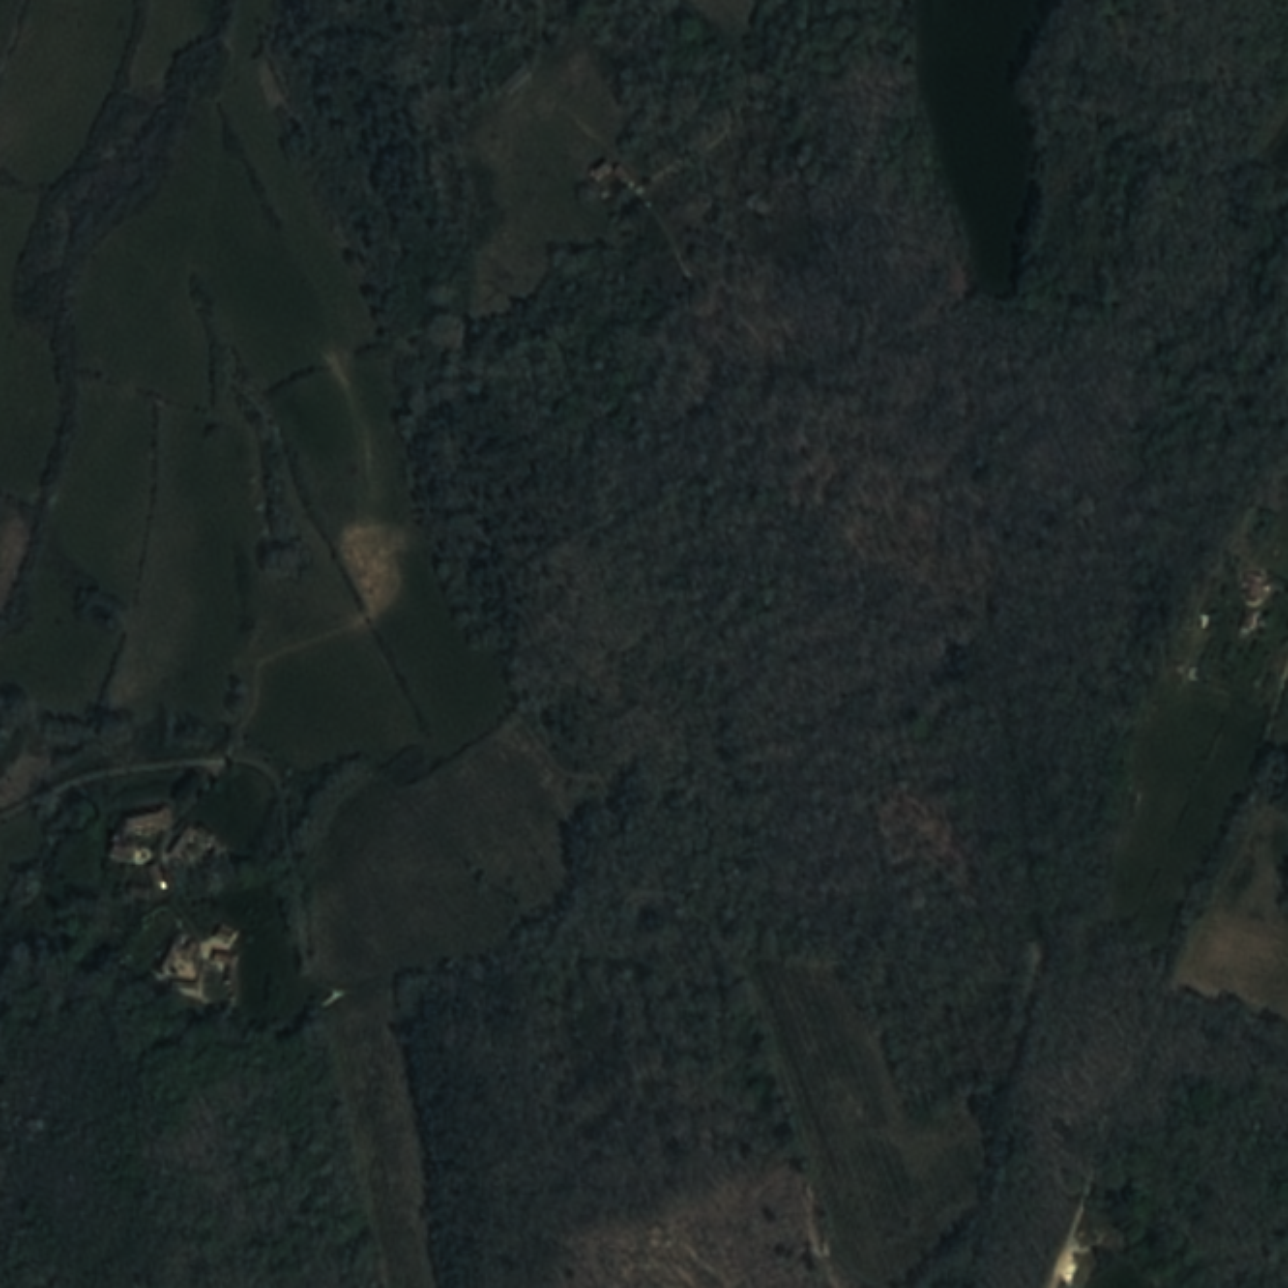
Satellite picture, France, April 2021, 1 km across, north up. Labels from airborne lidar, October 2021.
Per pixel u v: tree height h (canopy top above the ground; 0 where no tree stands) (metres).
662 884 16
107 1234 11
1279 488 24
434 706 0
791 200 9
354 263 13
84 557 0
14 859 0
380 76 8
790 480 16
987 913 21
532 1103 20
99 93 0
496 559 15
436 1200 14
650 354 20
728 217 14
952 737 18
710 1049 23
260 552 0
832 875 16
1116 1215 17
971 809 22
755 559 16
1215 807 0
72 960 17
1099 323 20
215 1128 19
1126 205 7
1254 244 27
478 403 12
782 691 18
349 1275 21
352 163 9
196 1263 19
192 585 0
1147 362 23
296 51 13
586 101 0
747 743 20
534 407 14
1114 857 23
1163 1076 22
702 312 12
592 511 17
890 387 15
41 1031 17
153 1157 18
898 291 15
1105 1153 24
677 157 15
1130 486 9
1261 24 21
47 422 0
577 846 21
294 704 0
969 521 18
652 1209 18
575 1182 18
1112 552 12
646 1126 21
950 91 0
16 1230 12
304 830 15
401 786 6
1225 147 25
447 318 13
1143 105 16
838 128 13
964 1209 9
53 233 10
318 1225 22
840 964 20
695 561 14
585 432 19
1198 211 25
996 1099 11
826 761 18
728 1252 0
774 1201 0
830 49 20
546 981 19
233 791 0
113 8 0
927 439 16
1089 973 19
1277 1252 23
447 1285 11
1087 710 24
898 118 17
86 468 0
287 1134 20
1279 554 0
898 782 8
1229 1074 21
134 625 0
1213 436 23
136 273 0
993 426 16
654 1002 22
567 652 19
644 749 15
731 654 20
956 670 15
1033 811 24
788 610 21
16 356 0
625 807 20
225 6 9
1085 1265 0
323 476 0
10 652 0
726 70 18
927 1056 24
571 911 18
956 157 0
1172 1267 18
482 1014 17
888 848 18
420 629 0
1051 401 16
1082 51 22
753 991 17
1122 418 18
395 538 0
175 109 10
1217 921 0
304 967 16
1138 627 23
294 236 0
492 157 0
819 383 16
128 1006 25
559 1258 18
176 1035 19
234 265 0
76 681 0
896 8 16
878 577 15
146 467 0
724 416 24
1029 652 21
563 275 13
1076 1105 25
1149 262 23
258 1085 23
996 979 21
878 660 19
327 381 0
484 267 0
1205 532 20
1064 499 21
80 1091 17
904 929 20
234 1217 21
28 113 0
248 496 0
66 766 11
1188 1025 20
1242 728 0
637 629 18
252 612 0
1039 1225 23
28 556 8
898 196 17
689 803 22
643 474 17
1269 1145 23
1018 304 16
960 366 11
